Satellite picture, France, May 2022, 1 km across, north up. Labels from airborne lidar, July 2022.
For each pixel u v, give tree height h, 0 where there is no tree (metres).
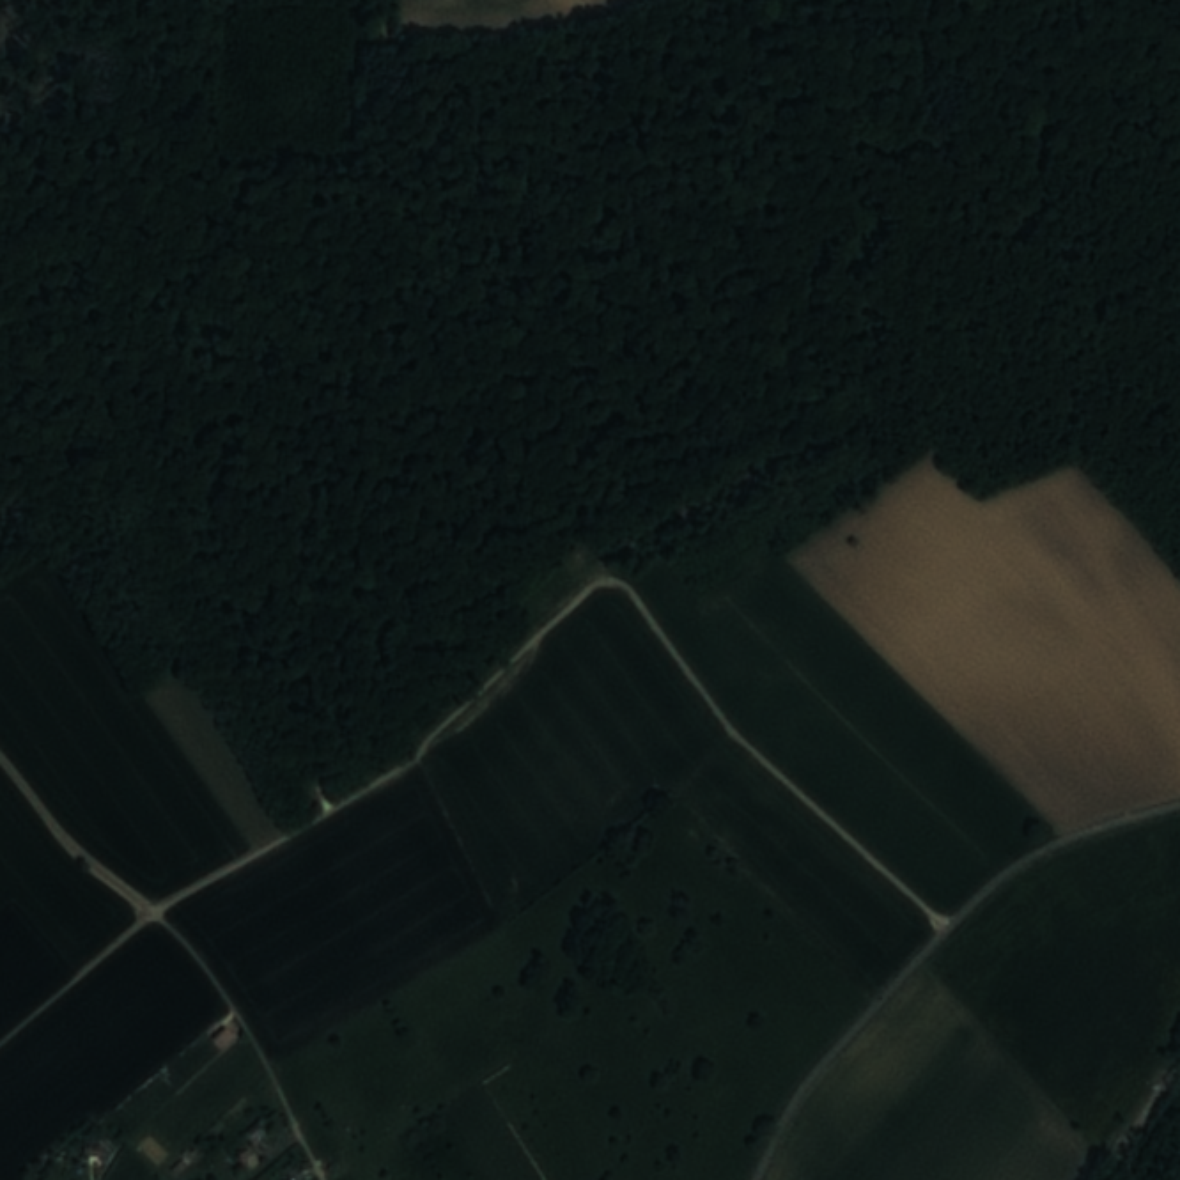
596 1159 0
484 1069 0
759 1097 0
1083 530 0
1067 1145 0
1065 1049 0
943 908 0
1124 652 0
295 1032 0
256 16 12
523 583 20
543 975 14
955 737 0
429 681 22
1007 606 0
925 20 25
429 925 0
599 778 0
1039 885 0
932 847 0
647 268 30
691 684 0
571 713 0
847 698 0
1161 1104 11
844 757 0
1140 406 19
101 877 0
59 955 0
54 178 31
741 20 28
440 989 0
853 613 0
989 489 15
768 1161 0
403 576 27
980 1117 0
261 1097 0
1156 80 27
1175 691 0
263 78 12
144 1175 0
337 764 18
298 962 0
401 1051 0
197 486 26
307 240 28
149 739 0
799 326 24
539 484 30
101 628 18
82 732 0
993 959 0
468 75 29
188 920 0
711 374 27
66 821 0
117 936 0
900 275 19
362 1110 0
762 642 0
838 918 0
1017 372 22
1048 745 0
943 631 0
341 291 26
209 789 0
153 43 16
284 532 28
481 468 28
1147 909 0
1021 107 31
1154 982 0
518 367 28
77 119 29
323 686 27
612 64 29
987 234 14
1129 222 19
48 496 26
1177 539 18
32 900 0
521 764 0
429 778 0
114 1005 0
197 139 30
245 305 29
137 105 30
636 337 31
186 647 22
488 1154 0
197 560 27
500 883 0
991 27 25
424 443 29
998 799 0
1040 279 21
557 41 25
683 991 0
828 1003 0
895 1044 0
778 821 0
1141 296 24
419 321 23
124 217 32
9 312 29
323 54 11
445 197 21
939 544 0
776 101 16
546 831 0
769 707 0
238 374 31
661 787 0
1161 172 23
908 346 21
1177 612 0
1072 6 20
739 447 26
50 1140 0
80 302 30
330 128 11
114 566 28
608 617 0
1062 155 17
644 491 27
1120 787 0
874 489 18
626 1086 0
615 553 9
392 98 22
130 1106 0
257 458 28
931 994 0
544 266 28
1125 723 0
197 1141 7
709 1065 15
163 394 26
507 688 0
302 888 0
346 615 25
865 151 27
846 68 24
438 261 27
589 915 14
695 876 0
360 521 31
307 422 24
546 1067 0
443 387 31
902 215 24
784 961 0
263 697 25
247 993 0
